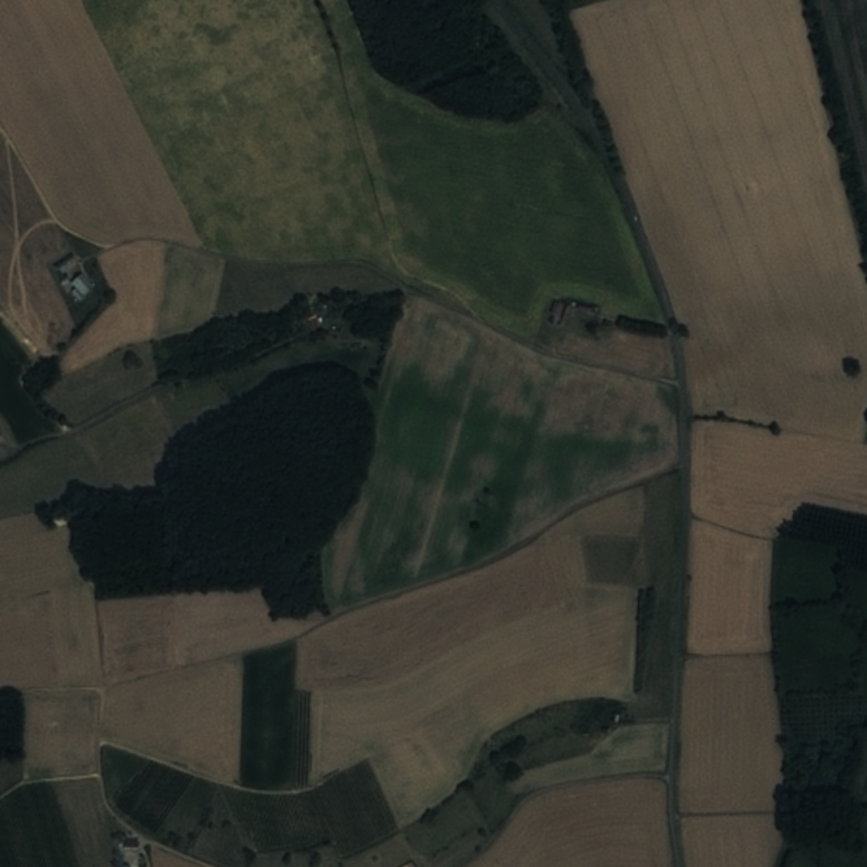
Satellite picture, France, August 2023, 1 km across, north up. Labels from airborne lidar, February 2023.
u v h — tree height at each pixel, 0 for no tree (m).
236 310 0
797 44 0
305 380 21
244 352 12
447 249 0
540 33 0
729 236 0
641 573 0
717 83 0
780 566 0
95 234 0
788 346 0
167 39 0
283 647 0
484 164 0
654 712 0
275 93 0
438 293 0
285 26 0
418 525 0
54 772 0
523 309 0
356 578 0
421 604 0
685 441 0
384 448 0
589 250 0
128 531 17
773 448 0
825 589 0
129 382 0
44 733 0
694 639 0
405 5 22
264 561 20
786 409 0
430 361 0
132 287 0
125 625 0
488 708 0
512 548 0
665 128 0
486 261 0
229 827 8
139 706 0
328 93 0
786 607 9
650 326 9
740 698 0
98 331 0
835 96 20
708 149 0
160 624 0
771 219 0
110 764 0
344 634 0
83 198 0
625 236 0
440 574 0
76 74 0
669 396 0
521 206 0
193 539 24
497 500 0
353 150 0
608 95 0
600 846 0
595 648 0
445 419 0
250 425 25
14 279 0
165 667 0
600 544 0
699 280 0
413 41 18
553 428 0
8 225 0
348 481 20
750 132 0
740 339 0
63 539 0
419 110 0
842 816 28
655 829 0
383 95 0
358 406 22
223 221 0
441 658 0
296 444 27
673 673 0
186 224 0
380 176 0
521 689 0
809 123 0
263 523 25
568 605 0
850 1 0
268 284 0
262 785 0
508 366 0
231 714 0
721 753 0
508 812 0
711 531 0
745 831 0
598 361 0
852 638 0
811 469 0
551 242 0
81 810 0
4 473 0
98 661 0
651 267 0
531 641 0
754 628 0
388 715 0
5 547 0
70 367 0
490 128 0
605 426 0
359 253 0
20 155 0
